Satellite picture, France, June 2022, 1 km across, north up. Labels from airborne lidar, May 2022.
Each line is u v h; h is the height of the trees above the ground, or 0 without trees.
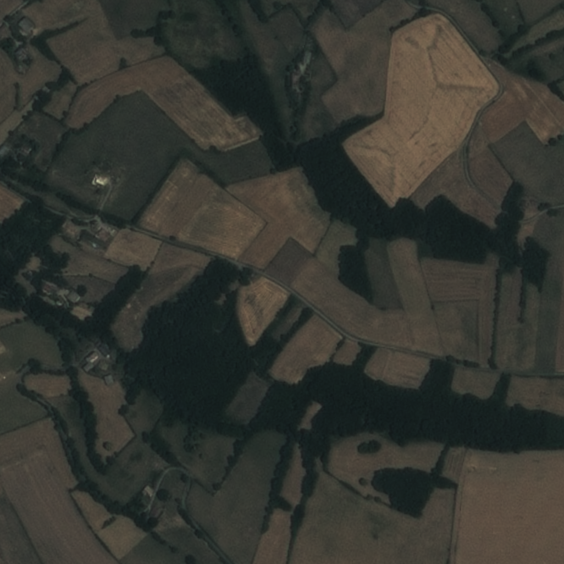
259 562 0
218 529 0
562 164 0
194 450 11
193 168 0
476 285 0
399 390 8
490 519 0
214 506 0
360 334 0
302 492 10
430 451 0
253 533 0
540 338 0
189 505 0
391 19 0
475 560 0
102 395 0
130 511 16
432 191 0
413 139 0
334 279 0
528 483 0
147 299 0
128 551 0
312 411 0
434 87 0
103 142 0
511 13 0
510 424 14
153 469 0
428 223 13
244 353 11
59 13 0
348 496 0
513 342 0
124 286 14
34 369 12
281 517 0
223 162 0
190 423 24
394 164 0
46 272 13
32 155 12
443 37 0
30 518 0
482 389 0
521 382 0
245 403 0
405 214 12
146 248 0
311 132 0
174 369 22
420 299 0
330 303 0
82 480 9
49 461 0
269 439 0
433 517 0
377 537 0
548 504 0
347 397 21
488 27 0
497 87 0
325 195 16
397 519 0
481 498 0
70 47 0
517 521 0
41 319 22
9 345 0
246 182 0
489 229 7
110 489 0
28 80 0
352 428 24
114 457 11
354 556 0
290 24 0
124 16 0
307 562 0
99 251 0
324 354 0
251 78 19
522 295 8
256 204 0
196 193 0
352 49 0
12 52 11
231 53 0
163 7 0
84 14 0
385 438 0
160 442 0
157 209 0
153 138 0
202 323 17
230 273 12
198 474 0
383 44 0
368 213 16
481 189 0
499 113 0
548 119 0
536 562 0
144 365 15
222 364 18
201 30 0
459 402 10
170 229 0
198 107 0
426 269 0
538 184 0
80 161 0
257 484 0
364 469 0
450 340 0
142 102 0
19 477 0
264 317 0
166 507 0
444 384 12
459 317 0
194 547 0
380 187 0
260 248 0
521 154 0
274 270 0
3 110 0
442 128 0
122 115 0
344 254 10
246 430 18
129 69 0
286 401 19
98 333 20
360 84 0
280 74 0
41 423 0
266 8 0
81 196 0
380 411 13
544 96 0
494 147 0
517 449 17
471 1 0
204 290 21
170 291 0
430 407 12
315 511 0
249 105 13
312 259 0
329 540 0
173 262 0
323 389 23
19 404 0
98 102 0
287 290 0
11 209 0
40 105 15
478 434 19
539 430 12
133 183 0
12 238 10
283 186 0
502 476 0
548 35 9
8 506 0
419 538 0
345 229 0
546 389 0
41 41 7
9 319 0
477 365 8
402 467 0
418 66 0
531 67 8
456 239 11
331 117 0
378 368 0
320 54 0
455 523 0
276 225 0
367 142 0
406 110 0
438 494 0
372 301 7
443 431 19
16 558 0
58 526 0
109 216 9
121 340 0
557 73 0
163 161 0
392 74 0
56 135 0
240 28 16
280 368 0
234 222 0
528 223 0
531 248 13
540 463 0
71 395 11
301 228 0
